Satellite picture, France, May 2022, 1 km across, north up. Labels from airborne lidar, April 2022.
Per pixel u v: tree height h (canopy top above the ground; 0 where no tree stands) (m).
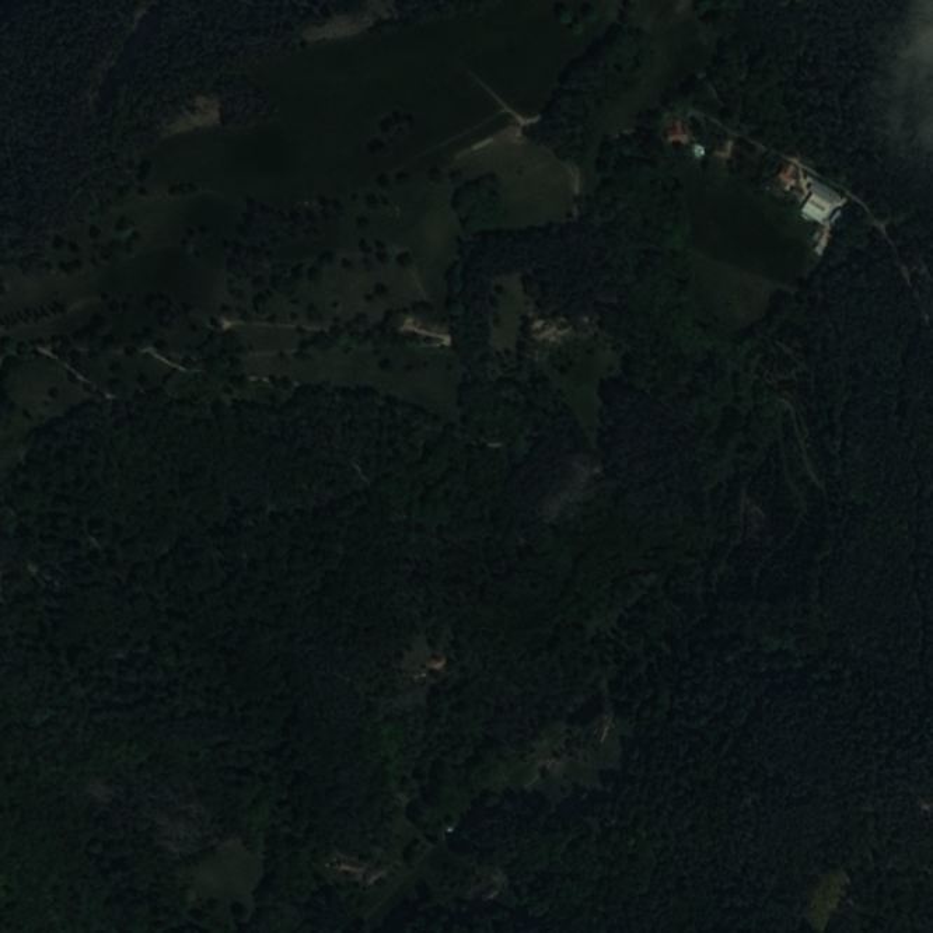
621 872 28
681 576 11
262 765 30
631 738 0
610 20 0
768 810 20
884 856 16
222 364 12
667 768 20
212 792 28
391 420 17
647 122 19
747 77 16
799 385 7
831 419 20
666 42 0
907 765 21
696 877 27
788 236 0
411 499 19
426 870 0
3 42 28
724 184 0
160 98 24
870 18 27
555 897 24
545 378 26
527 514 26
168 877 18
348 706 27
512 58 0
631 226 28
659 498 35
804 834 22
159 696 27
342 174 0
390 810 22
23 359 14
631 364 23
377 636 15
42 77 23
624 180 21
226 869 0
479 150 0
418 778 19
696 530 19
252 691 18
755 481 9
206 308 0
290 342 0
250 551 31
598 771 0
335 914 32
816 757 21
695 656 20
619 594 7
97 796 29
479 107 0
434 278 0
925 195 13
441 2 24
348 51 0
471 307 22
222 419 24
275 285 16
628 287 25
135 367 0
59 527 25
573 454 24
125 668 27
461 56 0
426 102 0
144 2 6
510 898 0
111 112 25
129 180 23
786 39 13
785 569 8
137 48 31
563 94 20
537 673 19
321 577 22
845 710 29
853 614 22
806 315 22
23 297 0
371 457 22
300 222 20
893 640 25
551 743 0
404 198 0
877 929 26
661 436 35
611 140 9
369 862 8
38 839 34
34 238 21
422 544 28
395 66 0
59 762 25
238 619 21
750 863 21
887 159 10
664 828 17
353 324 12
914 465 24
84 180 24
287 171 0
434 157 0
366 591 20
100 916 28
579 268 28
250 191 0
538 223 0
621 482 26
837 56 23
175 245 0
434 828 23
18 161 15
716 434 11
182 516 34
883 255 28
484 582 23
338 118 0
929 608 21
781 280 0
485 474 19
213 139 0
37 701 21
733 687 28
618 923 24
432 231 0
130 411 20
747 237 0
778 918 23
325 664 25
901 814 24
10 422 10
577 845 26
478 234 8
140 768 28
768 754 24
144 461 28
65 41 28
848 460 19
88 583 26
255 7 24
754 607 21
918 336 25
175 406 20
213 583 26
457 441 15
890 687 27
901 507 25
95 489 25
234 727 28
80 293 0
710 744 8
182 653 32
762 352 9
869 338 21
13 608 27
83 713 16
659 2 0
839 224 16
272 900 28
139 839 23
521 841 20
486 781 23
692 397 30
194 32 27
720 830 11
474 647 22
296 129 0
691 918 16
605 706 21
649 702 17
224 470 20
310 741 29
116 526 26
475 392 15
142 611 25
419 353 0
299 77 0
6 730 23
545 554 14
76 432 13
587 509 17
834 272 25
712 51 0
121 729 14
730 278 0
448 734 22
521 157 0
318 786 22
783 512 12
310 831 27
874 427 24
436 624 16
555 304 21
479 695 18
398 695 23
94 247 9
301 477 14
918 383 21
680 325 39
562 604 13
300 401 20
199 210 0
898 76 30
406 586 27
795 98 10
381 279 0
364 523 22
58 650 29
